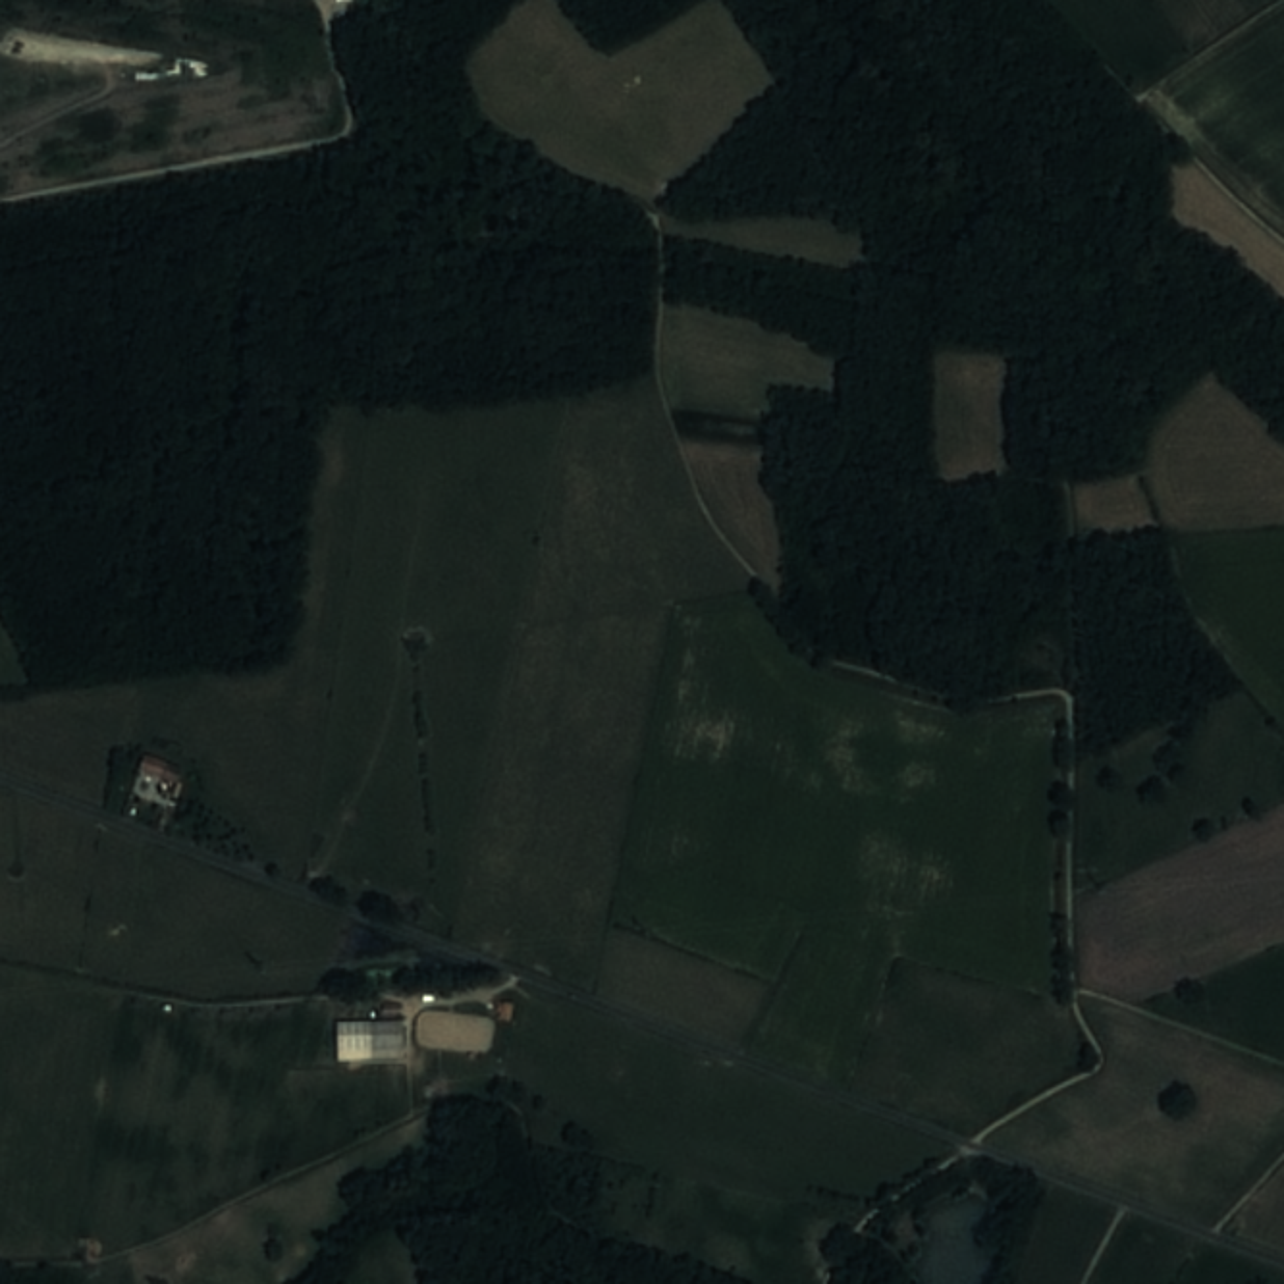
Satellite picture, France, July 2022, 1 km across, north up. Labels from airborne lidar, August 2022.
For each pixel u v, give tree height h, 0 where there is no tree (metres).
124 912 0
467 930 0
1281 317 25
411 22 22
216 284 22
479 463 0
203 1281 0
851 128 20
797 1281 0
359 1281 0
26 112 0
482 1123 23
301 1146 0
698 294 11
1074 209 21
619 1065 0
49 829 0
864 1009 0
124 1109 0
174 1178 0
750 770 0
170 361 24
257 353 21
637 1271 20
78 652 12
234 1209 0
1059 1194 0
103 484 19
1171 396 11
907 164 21
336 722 0
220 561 24
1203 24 0
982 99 19
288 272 23
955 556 20
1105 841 0
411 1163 21
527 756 0
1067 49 16
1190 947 0
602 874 0
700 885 0
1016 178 20
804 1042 0
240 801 0
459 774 0
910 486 17
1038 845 0
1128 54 0
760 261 6
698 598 0
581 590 0
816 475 19
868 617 13
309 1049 0
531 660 0
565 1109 0
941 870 0
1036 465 19
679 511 0
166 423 23
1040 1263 0
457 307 22
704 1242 0
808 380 0
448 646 0
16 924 0
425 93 16
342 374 18
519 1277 21
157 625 11
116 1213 0
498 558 0
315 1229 0
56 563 16
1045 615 9
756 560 0
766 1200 0
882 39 22
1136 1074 0
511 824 0
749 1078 0
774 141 14
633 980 0
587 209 18
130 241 16
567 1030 0
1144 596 12
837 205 15
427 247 20
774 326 11
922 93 18
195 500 20
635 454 0
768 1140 0
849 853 0
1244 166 0
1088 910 0
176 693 0
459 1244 24
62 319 23
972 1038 0
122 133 0
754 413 0
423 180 20
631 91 0
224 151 0
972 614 19
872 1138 0
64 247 15
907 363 11
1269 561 0
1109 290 24
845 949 0
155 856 0
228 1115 0
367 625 0
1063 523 5
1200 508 0
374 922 20
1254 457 0
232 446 22
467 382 26
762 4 18
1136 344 27
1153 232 22
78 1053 0
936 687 14
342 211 8
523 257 13
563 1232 21
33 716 0
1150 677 14
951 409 0
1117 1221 0
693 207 15
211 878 0
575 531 0
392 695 0
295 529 15
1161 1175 0
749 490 0
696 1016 0
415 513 0
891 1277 18
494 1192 27
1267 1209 0
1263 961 0
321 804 0
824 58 25
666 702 0
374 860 0
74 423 23
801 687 0
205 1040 0
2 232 15
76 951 0
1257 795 0
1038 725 0
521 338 24
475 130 12
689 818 0
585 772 0
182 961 0
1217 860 0
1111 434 23
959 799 0
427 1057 0
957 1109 0
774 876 0
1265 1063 0
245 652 8
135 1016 0
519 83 0
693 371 0
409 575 0
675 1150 0
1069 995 16
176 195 14
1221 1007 0
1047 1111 0
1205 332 18
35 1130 0
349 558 0
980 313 18
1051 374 18
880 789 0
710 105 0
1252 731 0
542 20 0
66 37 0
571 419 0
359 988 20
